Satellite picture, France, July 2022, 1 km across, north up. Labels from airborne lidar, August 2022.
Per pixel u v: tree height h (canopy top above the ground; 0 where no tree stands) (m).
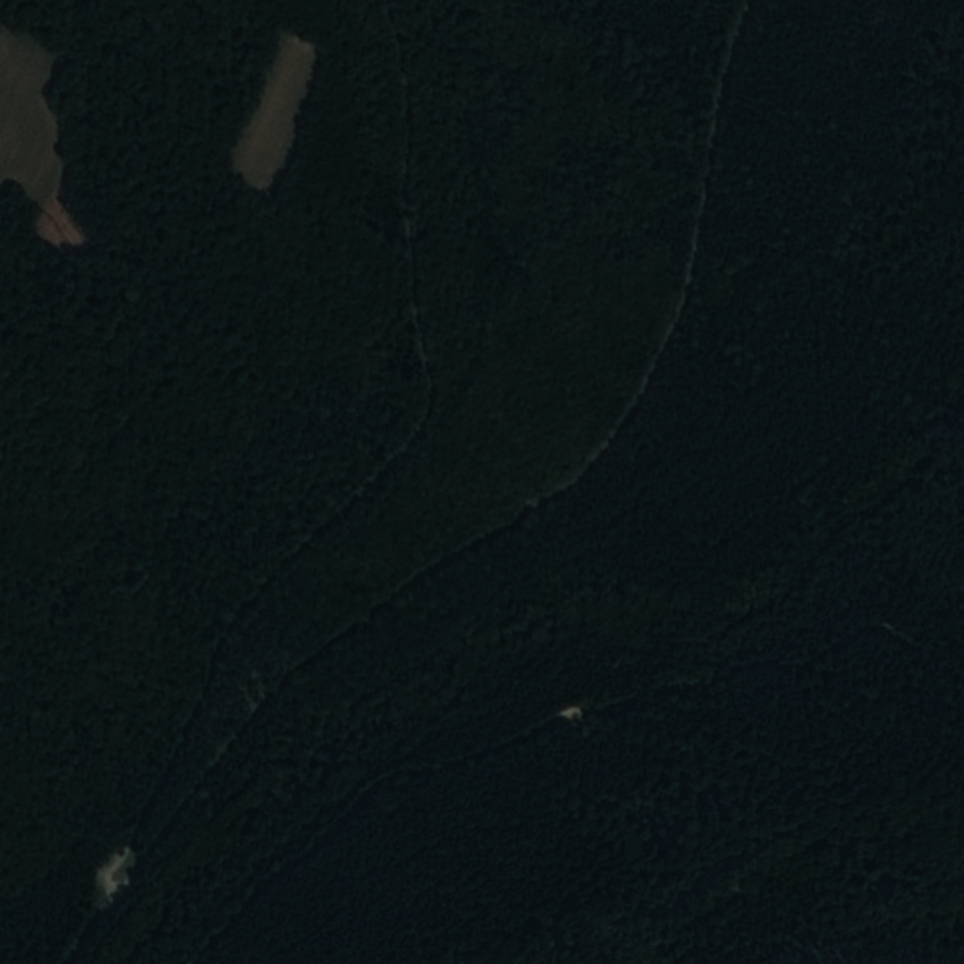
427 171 15
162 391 22
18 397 17
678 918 22
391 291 19
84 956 23
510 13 25
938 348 21
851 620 28
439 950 25
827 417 16
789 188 17
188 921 19
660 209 17
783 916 18
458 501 16
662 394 15
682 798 29
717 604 21
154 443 19
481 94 11
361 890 27
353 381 19
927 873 24
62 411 17
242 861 30
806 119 15
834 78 18
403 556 18
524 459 12
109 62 22
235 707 20
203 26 21
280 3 15
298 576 21
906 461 11
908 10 19
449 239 19
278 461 17
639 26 20
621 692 17
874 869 28
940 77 15
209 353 19
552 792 24
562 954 27
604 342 17
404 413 15
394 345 9
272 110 0
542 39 21
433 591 19
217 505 17
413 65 19
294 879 23
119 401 21
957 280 18
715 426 19
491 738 24
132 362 23
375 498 20
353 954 23
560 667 26
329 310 17
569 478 17
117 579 27
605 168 17
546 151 20
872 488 14
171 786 22
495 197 13
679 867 34
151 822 22
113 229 17
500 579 17
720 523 18
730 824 41
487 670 22
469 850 28
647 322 16
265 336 21
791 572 15
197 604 20
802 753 22
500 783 25
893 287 21
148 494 8
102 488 15
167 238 25
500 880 24
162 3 21
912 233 17
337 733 24
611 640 19
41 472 16
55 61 0
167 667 16
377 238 21
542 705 24
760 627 28
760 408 14
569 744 21
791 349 16
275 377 23
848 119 19
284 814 25
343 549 14
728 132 20
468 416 15
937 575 25
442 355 16
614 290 20
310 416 11
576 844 25
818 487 18
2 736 17
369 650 18
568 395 19
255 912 24
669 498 17
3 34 0
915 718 28
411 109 17
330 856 23
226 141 20
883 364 19
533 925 38
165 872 20
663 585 23
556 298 19
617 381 17
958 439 36
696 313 19
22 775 17
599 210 21
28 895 15
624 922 19
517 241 13
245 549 15
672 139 19
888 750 26
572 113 17
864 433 19
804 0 16
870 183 18
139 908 25
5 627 19
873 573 26
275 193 17
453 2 18
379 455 18
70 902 16
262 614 23
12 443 17
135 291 19
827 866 24
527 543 17
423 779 23
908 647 29
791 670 33
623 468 15
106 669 16
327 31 16
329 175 16
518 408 18
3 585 15
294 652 20
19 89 0
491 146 16
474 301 17
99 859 16
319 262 19
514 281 19
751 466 18
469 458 14
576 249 20
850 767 23
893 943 28
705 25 17
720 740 22
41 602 16
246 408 18
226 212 21
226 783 16
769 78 16
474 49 20
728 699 14
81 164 20
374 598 18
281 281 20
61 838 16
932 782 28
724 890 15
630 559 15
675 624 25
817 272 10
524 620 17
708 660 29
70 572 16
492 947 35
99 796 16
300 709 19
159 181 19
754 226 21
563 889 29
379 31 16
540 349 18
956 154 26
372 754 19
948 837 29
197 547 14
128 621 17
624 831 30
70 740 15
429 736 22
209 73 20
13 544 20
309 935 21
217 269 21
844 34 18
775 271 19
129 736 13
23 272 21
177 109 20
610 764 20
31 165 0
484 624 18
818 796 33
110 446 20
